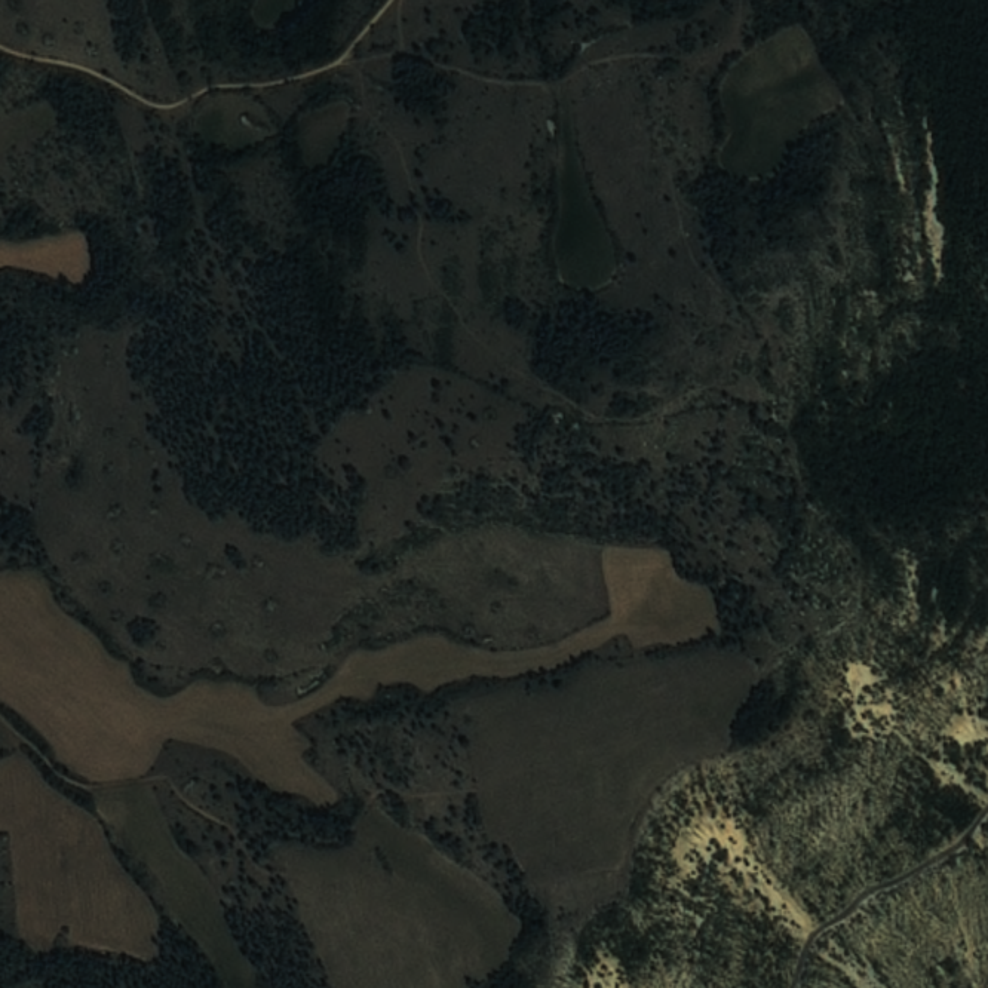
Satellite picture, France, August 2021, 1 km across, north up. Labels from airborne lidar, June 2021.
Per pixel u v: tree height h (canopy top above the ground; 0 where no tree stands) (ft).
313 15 57
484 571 0
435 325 0
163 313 31
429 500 26
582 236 0
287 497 38
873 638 0
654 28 0
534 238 0
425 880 0
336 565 0
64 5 0
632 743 0
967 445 41
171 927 36
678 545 37
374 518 0
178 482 0
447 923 0
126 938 0
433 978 0
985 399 33
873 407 28
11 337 36
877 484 43
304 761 0
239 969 0
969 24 22
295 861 0
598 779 0
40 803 0
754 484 0
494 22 52
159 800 0
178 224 25
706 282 0
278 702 0
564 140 0
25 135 0
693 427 0
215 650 0
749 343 0
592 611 0
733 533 26
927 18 33
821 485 32
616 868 0
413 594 0
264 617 0
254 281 23
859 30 36
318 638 0
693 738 0
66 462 0
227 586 0
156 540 0
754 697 31
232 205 21
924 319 20
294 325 40
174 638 0
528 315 27
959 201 28
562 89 0
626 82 0
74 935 0
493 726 0
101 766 0
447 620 0
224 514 22
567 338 41
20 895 0
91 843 0
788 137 0
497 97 0
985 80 27
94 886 0
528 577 0
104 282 34
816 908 22
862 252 0
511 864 20
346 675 0
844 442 29
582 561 0
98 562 0
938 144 31
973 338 32
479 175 0
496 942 0
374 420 0
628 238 0
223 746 0
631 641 0
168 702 0
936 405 36
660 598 0
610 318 31
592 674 0
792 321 0
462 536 0
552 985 0
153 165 18
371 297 0
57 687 0
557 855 0
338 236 23
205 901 0
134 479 0
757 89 0
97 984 33
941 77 36
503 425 0
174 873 0
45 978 29
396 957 0
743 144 0
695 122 0
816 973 21
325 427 17
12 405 24
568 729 0
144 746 0
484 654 0
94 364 0
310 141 0
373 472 0
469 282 0
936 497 31
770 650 0
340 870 0
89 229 45
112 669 0
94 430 0
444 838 29
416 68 44
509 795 0
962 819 21
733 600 49
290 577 0
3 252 0
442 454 0
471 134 0
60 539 0
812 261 0
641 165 0
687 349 0
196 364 24
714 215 27
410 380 0
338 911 0
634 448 0
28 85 0
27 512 28
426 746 0
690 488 23
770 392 0
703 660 0
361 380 29
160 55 0
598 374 0
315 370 39
